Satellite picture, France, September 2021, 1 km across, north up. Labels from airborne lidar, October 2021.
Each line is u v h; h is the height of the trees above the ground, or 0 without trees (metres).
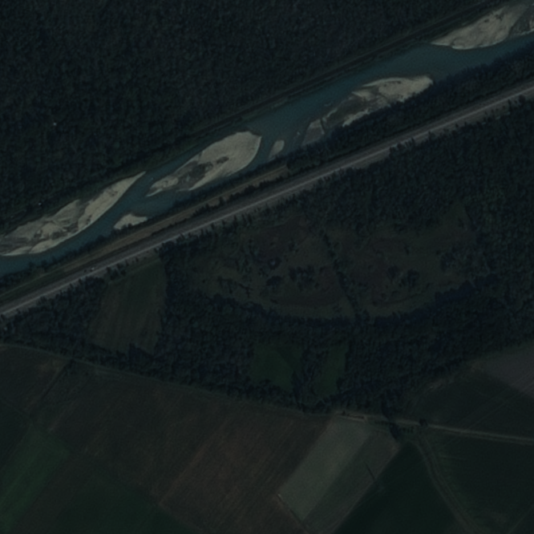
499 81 21
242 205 0
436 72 0
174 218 0
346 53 10
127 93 29
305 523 0
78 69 20
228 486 0
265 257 0
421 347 23
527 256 21
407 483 0
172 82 22
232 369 15
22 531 0
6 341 9
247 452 0
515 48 0
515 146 9
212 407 0
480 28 0
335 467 0
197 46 16
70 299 20
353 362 12
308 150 0
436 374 25
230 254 0
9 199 18
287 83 15
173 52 21
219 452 0
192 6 11
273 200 0
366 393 22
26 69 17
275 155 0
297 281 24
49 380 0
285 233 0
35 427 0
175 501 0
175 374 20
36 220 0
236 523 0
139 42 17
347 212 23
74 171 20
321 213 18
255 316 21
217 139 0
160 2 22
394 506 0
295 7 18
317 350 27
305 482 0
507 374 0
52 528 0
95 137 10
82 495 0
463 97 20
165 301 0
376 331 24
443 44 0
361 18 12
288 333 24
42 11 6
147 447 0
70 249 0
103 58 18
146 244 0
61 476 0
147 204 0
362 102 0
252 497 0
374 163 0
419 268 0
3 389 0
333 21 13
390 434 0
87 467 0
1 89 24
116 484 0
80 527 0
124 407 0
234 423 0
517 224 25
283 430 0
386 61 0
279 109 0
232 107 14
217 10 9
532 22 0
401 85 0
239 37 17
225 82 16
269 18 13
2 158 16
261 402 18
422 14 9
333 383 0
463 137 19
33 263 0
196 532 0
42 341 17
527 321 23
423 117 18
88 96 19
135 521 0
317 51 12
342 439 0
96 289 22
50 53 32
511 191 10
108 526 0
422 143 0
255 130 0
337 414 0
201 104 19
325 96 0
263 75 14
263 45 16
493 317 32
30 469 0
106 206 0
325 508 0
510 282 20
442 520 0
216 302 5
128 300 0
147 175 0
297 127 0
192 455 0
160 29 27
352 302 26
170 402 0
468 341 32
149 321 0
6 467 0
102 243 12
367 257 0
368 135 22
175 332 17
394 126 16
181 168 0
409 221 14
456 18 0
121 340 0
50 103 22
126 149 23
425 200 22
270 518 0
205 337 17
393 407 25
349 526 0
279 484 0
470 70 0
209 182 0
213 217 0
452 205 8
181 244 13
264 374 0
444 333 21
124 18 20
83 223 0
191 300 29
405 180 21
